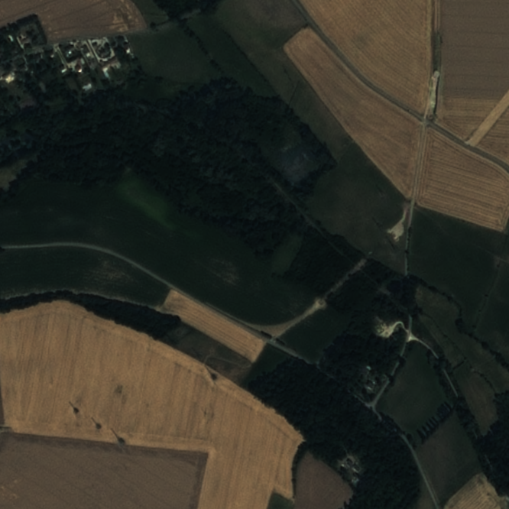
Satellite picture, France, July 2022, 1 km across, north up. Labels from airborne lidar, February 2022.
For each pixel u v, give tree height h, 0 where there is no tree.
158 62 0
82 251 0
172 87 0
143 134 6
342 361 23
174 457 0
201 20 0
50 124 17
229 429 0
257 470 0
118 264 0
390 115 0
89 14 0
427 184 0
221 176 10
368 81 0
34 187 0
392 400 0
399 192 0
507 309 0
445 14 0
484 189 0
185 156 24
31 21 15
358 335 6
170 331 13
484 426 0
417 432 0
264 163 23
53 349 0
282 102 29
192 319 0
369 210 0
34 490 0
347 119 0
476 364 0
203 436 0
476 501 0
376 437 21
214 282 0
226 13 0
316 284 7
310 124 0
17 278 0
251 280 0
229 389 0
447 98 0
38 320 0
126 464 0
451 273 0
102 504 0
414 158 0
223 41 0
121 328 0
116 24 0
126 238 0
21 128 0
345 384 14
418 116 0
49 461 0
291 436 0
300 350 0
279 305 0
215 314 0
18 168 0
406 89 0
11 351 0
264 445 0
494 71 0
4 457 0
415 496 20
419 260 0
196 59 0
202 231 0
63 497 0
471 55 0
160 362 0
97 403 0
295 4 0
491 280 0
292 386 19
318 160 22
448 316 0
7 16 0
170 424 0
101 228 0
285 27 0
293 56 0
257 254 17
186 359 0
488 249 0
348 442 24
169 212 0
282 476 0
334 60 0
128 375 0
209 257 0
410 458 22
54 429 0
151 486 0
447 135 0
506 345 0
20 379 0
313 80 0
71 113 20
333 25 0
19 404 0
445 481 0
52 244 0
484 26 0
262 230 21
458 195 0
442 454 0
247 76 0
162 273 0
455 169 0
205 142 8
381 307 5
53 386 0
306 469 0
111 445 0
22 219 0
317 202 0
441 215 0
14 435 0
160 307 0
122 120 28
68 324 0
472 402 0
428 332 0
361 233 0
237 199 10
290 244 0
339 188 0
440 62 0
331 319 0
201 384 0
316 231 9
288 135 0
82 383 0
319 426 26
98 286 0
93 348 0
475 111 0
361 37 0
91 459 0
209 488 0
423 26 0
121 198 0
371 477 19
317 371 17
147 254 0
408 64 0
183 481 0
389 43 0
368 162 0
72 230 0
